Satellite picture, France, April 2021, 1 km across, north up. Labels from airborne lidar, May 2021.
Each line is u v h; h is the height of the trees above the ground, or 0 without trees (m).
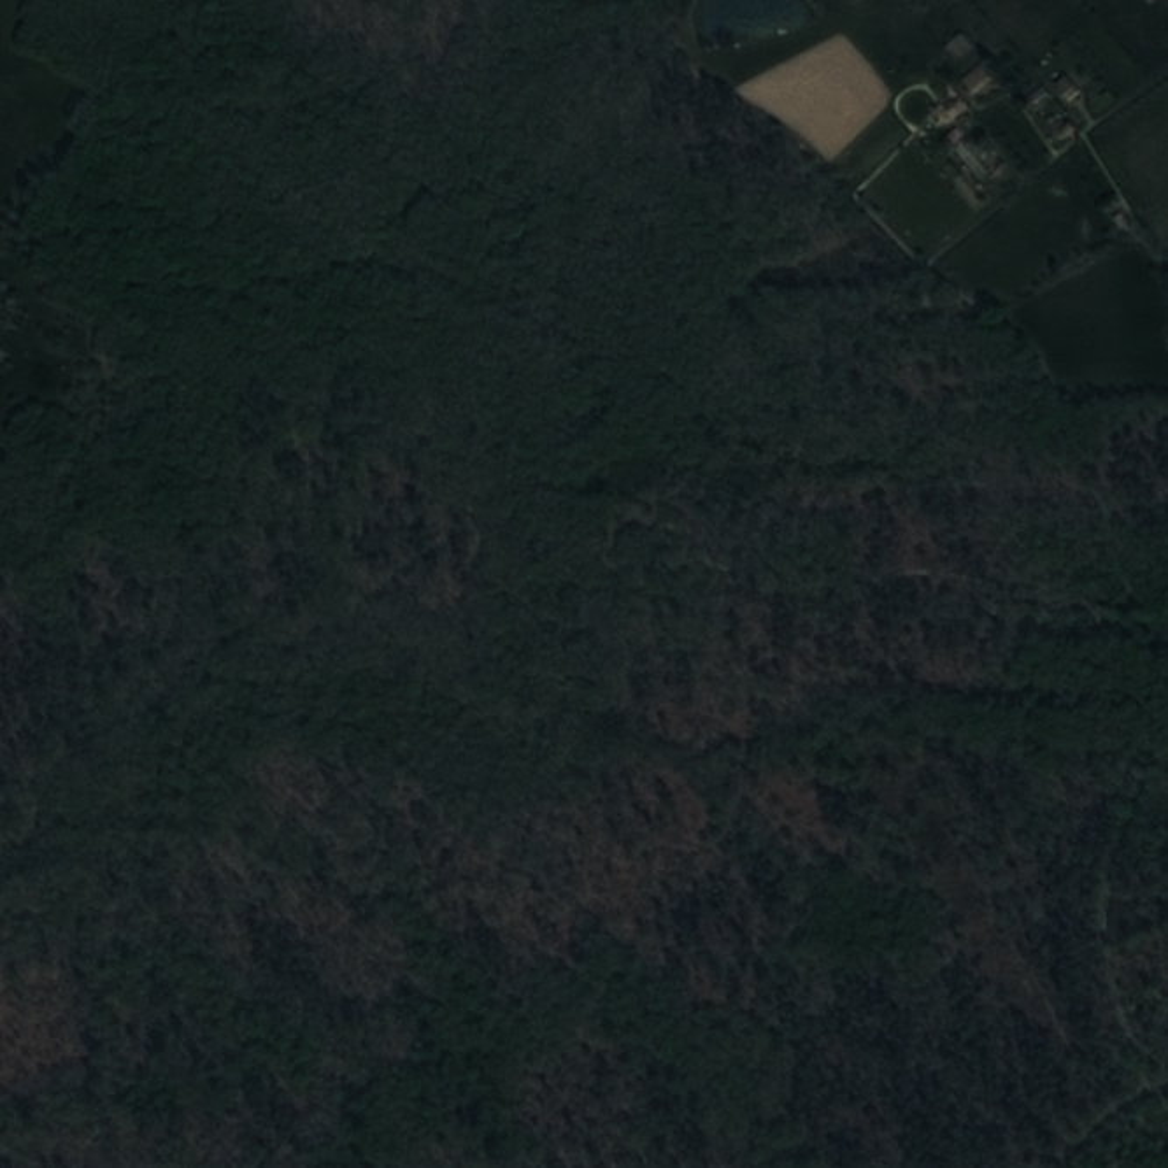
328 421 18
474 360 20
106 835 20
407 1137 17
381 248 18
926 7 15
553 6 24
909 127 0
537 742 13
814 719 12
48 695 25
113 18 13
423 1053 15
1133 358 0
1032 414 20
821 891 14
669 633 11
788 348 13
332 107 16
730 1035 15
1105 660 24
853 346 10
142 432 23
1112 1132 7
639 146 21
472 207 20
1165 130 0
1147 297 0
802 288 18
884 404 14
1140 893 12
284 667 19
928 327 16
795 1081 9
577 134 18
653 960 17
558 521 21
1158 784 21
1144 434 9
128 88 24
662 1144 18
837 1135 8
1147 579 18
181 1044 19
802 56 0
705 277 23
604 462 21
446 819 11
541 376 17
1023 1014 10
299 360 23
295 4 14
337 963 17
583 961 20
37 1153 12
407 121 22
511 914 13
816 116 0
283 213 18
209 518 15
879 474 17
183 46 21
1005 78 11
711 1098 25
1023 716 19
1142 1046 9
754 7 0
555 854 8
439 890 10
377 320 21
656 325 23
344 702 14
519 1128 11
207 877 13
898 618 22
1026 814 15
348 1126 17
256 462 15
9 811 15
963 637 22
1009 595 15
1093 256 13
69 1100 16
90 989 22
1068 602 6
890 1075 8
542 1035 13
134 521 16
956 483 14
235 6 19
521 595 14
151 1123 27
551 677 17
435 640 16
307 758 15
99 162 22
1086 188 7
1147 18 0
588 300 22
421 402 17
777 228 20
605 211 25
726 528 14
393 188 19
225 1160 6
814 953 20
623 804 11
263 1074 14
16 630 7
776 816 11
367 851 7
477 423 19
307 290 17
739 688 15
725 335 20
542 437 18
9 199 0
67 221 21
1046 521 20
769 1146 18
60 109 0
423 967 16
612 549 20
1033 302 0
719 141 17
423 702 13
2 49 0
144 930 14
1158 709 15
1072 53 0
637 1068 18
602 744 13
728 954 12
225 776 17
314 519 11
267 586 20
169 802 19
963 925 16
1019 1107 19
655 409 25
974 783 24
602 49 21
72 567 14
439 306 19
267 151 18
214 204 20
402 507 6
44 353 0
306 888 16
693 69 15
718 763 16
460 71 21
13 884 17
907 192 0
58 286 17
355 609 15
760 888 21
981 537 8
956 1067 23
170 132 23
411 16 16
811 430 14
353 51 18
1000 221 0
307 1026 13
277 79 21
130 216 21
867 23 0
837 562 18
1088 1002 23
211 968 19
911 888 11
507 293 16
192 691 17
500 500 15
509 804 13
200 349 19
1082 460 20
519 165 16
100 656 12
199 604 16
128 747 18
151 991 19
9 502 18
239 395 18
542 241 20
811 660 7
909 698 15
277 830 12
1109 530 19
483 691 20
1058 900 17
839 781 9
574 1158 11
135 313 19
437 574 21
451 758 14
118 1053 12
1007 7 0
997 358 16
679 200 26
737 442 19
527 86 21
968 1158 22
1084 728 19
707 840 10
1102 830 6
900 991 10
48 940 19
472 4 15
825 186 14
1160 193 0
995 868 20
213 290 18
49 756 22
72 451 18
